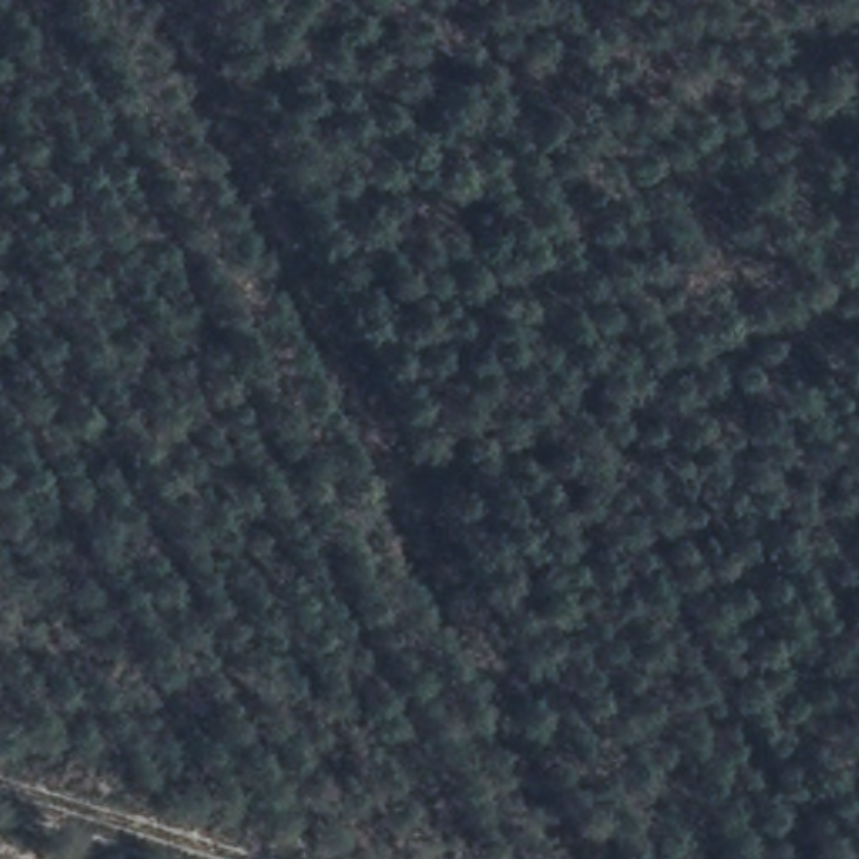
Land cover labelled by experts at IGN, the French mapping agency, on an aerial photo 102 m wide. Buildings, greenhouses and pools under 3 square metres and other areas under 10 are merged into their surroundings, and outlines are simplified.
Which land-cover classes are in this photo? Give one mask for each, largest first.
<instances>
[{"label":"brushwood","instance_id":"1","mask_svg":"<svg viewBox=\"0 0 859 859\"><path fill-rule=\"evenodd\" d=\"M87 0H0V225L10 235L3 275H23L30 285L40 282L50 272V265L44 252L34 248V235L44 228H74L84 205L94 198L91 181L70 158L60 128L64 111L77 117L81 141L87 144L101 171L111 168V151L121 141L128 144V164L138 171L148 215L158 221V235L154 242L141 245V258L154 265L171 248L181 252L201 322L188 349L171 356L158 319L141 305V289L121 272V252L114 245L97 258L104 282H111L117 309L124 312V325L111 342H141L148 349L144 362L128 379L134 409L154 399L151 383L158 376L164 379L168 372L195 362L205 413L191 423L188 436H181L168 450L164 460L181 473L185 453L198 450L208 470L205 483L191 487L178 500H164L161 480L154 476L144 453L134 446V436L128 430H101L97 440H87L81 446V460L94 487V507L77 510L74 483L67 476L60 446H54L40 430L34 436V446L57 487L54 544L60 591L20 621L17 638L0 641V755L10 745L13 725L44 721L40 711L30 701H23V691L17 685L20 661H27L40 674L50 705L64 698V678H77L84 691V705L64 721V752L57 755L44 745L27 748L20 765L7 772L30 782H44L50 789L74 792L81 799H94L101 805L158 815L174 825L201 829L215 839H232L245 846L252 859H315L319 846L342 832V819L322 815L319 822H309L302 842L292 852H282L275 846L279 815L265 778V758H279V765H285L299 752L275 735L279 721L272 718L268 701L262 695L265 661L275 641L265 634L255 594L242 584L238 570L228 567L225 591L238 617L248 624V644L242 651H228L221 658V668L248 718L255 721V742H238V731L232 728V718L215 695L211 674H198L185 688H178L161 708L164 728L181 742L185 765L181 775L164 778L161 789H154L138 772L134 752L124 745L111 711L104 708V691L94 681V674H107L114 668V654L121 648L128 651V661L138 664V678L144 685L164 678V671L158 668L161 654L148 641L131 601L144 591H171L185 580L188 611L205 624L215 614V607L205 587V574L191 554V544L185 540L181 520L188 513H201L205 523H215L221 510L242 500L248 490L262 497V513H279L275 490L268 483L275 470L285 473L295 497V513L282 520L289 523V530L305 523L309 534L322 544V550L305 560L309 570L302 574V580L319 597L322 624L305 631L295 587L272 594L289 627L292 661L299 674L309 681L305 701L295 705V728L302 731L305 725L319 721V715H325L332 681L322 671L319 651L339 627H349L352 621L359 631L356 648L372 651V668L352 678L356 708L352 715L336 721V748L322 755L319 765L332 775L336 785L352 782L372 792L386 785V778L372 765L356 758L352 735L393 695L403 701L406 718L413 725V738H406L399 748V765L406 768L413 789L372 809L362 822V832H356L352 852L332 859H497L493 842L487 839L473 805V785L456 768L446 738L436 731L426 705L419 701V688L426 678L440 681L446 711H460L473 701V695L463 691V685L456 681L443 648L430 644L419 624L416 607L426 594L436 601L440 621L456 631L463 651L476 661V671L490 681L493 691L497 728L493 735L480 731L476 738H470V755L480 765H487L513 752L517 789L527 805L547 815V832L564 849V859H634L627 846H617L611 839L597 842L584 836L587 829L577 822L580 805L570 802L560 775L564 768H574L584 789H607L614 778H641V765L624 735L627 721L634 715L651 711L654 705L685 698L691 688L688 668H671L648 685V691L634 695L631 685L648 661V638L627 617L631 601L611 591V544L631 534L641 520L648 523L651 517H661L648 490L651 473L664 476V490L678 510L708 513V523L701 530H691L698 550L708 544H721V550L735 557V550L742 547L738 513L721 497H691L681 480L685 446L695 433L678 413V393L688 386V376L698 362L671 366L661 376L658 389L631 413L634 440L621 433V426L611 416V389L604 386V379L594 376L584 386L580 406L594 413V423L617 453V473L634 500V510H621L611 500L604 520L584 527L580 557L591 567V584L577 601L584 604L587 597H601V611L580 617V624L574 627H550L534 638L523 634V627H517L510 617L503 591L493 584L476 554L500 540V527L507 523L503 493L513 483L527 480V466L534 460L547 470L550 483H557L567 493V503L574 510L591 500V483L570 476L564 463L584 436L560 413L554 440L547 430L534 433V440L523 450L503 456L500 473H487V466L476 460L473 436L466 443H456L450 460L443 463L416 456L413 403L406 389L396 383V369L406 359L416 332L426 325V309L406 295V285H399L389 265V255L376 252L369 279L389 299L393 339L369 342L356 329V315L336 292V268L325 258L329 245L322 242V218L315 208L305 205L299 185L302 174L295 164V121L309 107V101L285 70H265L255 81L221 77V64L235 57L238 30L228 17H221V0H154L161 7V20L154 23V34L134 50V57L158 54L161 47H168L174 67L191 84V107L205 124L208 144L228 158L232 191L238 195V201L248 205L265 255L279 262L275 279L282 292L292 299L309 342L322 356L325 369L336 376L342 389V409L359 426V436L383 480L386 517L369 530V544L376 554L379 580L396 601V621L379 627L362 601L359 560L339 534H332V527L322 517V507L315 503V476L322 463H329L336 466L339 510L359 507L349 446L336 430L325 426L322 433L309 436L305 456H295L279 433L292 409L309 413L322 403L315 383L305 376V366L295 359L292 346L272 352L279 366V386H258L232 406L218 403L211 359L215 352H228V366L242 372V366L252 359L248 339L238 332L235 309L215 289L205 265V252L185 232V221L171 208V195L154 161L148 158V148L154 141H164L185 185L201 178V168L188 161V138L178 131L174 117H148V111L134 117L124 114L114 121V131L107 138L97 134L94 114L77 97V77L87 74L94 91L111 104L121 97V77L87 34ZM23 10H30V20L40 30L37 60H27L23 40L17 34V20ZM141 513L148 517V534L128 540V560L134 577L121 587L104 557V534L111 530V523H124ZM87 587L104 591V604L114 614L111 634H97V627L91 624L84 611ZM560 644H591L594 661L607 674L611 695L617 701L614 715L604 718L594 708L591 685L580 664H564L554 678H534V661ZM540 701H547L554 711L574 708L570 731H554L547 742L530 738ZM84 728H97V731H101V745H104V765H101V772H91V768H84V758H81V752H84ZM218 745L232 755L235 778L245 792V815L238 809H211L201 815H188V809L181 805L188 792L225 795V785L211 765ZM104 7L107 23L104 37L117 47L134 30L128 13L131 0H97ZM450 13L443 20V40L433 54V91L416 104L413 121L430 134L446 128V121L456 117L466 104L470 87L476 81H490L497 70H507L517 97L513 128H483L476 134H466L443 151L440 164L460 174L473 161L483 164L507 154L513 188L520 195V211L507 215L497 198H476L463 205L436 188L406 185L413 218L403 228L399 245L413 265H419L433 245L460 242L463 235L473 248H483L497 245L510 232H527L530 225L550 221L523 144L530 138L544 144L554 131V121L570 107H587L604 124L627 104L634 111V121L614 141V151L621 154L634 198L644 205L648 232L661 221H671V198L681 191L715 255L738 258L742 272H748L752 265L772 272L762 289H752L742 279V285L731 292L742 312H765L772 305L792 302V295L799 292H809L812 275L785 248V232L775 215L768 218L758 245L738 242L735 232L745 228L752 205L772 191V185L742 164V151L731 138L721 141V168L698 164L688 174H664L661 181H648L641 171L644 164L668 154H681L691 141H698L691 128L681 124L671 128L668 138L658 131V104L674 91L678 77L685 74L674 67V57L668 50H658L654 37L691 0H577L584 7L587 23L624 30L627 47L638 50V57L644 60L641 81L621 87L617 94H604L594 84V70L587 64L591 54L580 47L577 34L567 23H540L523 37V50L517 57L503 54L493 30V17L503 7V0H446ZM399 34H423L416 20L389 13L379 27V40L386 47ZM342 40V20L322 17L309 30L305 44L315 54L329 57ZM795 54L789 64L778 67V81H805V97L792 104L775 128L762 124L755 84L742 74H731L728 67L705 97L718 121L725 114H742L745 131L752 134L762 154H775L778 144H795L799 154L792 211L799 225L812 232L822 218H839V232L825 245L829 275H839L846 262L859 252V114L849 107L832 117H812L809 111L836 87L829 74L832 67L849 70L852 84L859 81V23L805 27L795 34ZM372 50L362 47L356 54L352 77H336L322 87L329 97V114L315 124L319 138H336L359 128L346 111L349 94H362L372 117H379L396 107L399 91L413 81V64H399L393 67V74L379 81L372 74ZM409 154L403 151L399 138H383L372 141V168L386 174ZM564 195L570 201L587 262L601 275L624 272L611 255L607 228L621 215H627V205H597V188H591L580 178ZM386 195L362 191L359 198L339 205V215L349 232L376 221ZM513 302L544 305V319L534 339L547 349H564V359L570 366L587 356L580 342L584 322H607L611 315L624 312V329L617 332L614 346L641 359V376L658 366V352L648 332L641 329L644 312L631 299V292L591 299V292L577 285L574 268H554L523 285H500L487 302H476L463 312L476 322V339L456 342V366L463 372H473L487 359L490 342L510 325L507 305ZM728 325L721 319V309L715 305L705 312L685 309L671 319V329L681 346H695L698 336ZM772 346H789V359L775 369L765 393H748V376L768 356ZM859 349V315L846 319L829 309L809 319L805 325L748 336L735 349L718 352L728 366V393L708 403L721 430H765L778 409L802 403L812 386L825 383L829 359ZM50 329L67 346V362L44 359L34 339V325H20L13 332L17 349L0 356V383L17 413L27 409L30 396L20 383V369L30 366L54 399V416L67 426L84 419L77 413V393L91 403L97 399L101 376L91 366L94 339L84 332V319L74 322L64 312L50 315ZM507 399L493 413L500 423L510 426L540 413L537 396L517 369L503 376ZM7 466L13 473V483L20 490H27L37 480L30 476V466L17 450L7 419L0 416V470ZM795 440V466L785 476V487H805L812 470V430L805 416H799L789 426ZM765 446H755L742 450L731 466V480L742 490L762 476ZM829 534L839 540V550L836 557L819 560L815 567L825 577L842 631L829 638V624L819 614L812 621L815 654H802L792 661L795 688L775 705L778 725L785 738H792V755L775 758V748L768 745L758 718L752 715V695L742 688L738 671L715 644L708 621H715L725 604L755 594L758 611L748 621H742L745 658L758 661L792 634V621L782 617L778 577L795 564L789 554L795 520L785 510L778 517L762 520V560L748 567L738 580L708 584L678 607L688 641L695 644V651H701L708 671L718 678L725 691V711L708 708L715 748L705 762L698 758L688 718L668 721L664 728L648 735L654 758L668 748H678V768L664 778V792L644 812L651 859H745L728 836L725 819L745 805L752 829H765L772 822V802L785 785V775L802 768L805 785L815 782V752L832 735L846 731L836 715H819L799 725L795 711L799 705H809L812 698L825 695V674L852 644V624L859 621V513L852 520L842 517L825 523ZM735 735L745 738L752 755L748 765L738 768L731 795L718 802L715 778L735 752ZM10 564L23 580H34L37 560L23 554L20 540L13 537L3 540ZM523 604L534 614H547L554 611L550 574L544 564L534 560L527 567ZM839 812V805L829 795L805 802L795 812L792 846L802 859H832L822 846V822ZM500 829L513 842V859H537L527 829L513 822V815H503Z\"/></svg>","mask_w":859,"mask_h":859},{"label":"coniferous trees","instance_id":"2","mask_svg":"<svg viewBox=\"0 0 859 859\"><path fill-rule=\"evenodd\" d=\"M128 13L134 30L117 47L104 37L107 23L104 7L97 0H87V34L121 77V97L111 104L94 91L87 74L77 77V97L94 114L97 134L107 138L114 131V121L124 114L134 117L148 111V117H174L178 131L188 138V161L201 168V178L185 185L164 141H154L148 148V158L154 161L171 195V208L185 221V232L205 252V265L215 289L235 309L238 332L248 339L252 359L242 366V372L228 366V352H215L211 359L218 403L232 406L258 386H279V366L272 352L292 346L295 359L305 366V376L315 383L322 403L309 413L292 409L279 433L295 456H305L309 436L322 433L325 426L336 430L349 446L359 507L339 510L336 466L329 463H322L315 476V503L322 507V517L332 527V534H339L359 560L362 601L379 627L396 621V601L379 580L376 554L369 544V530L386 517L383 480L359 436V426L342 409V389L336 376L325 369L322 356L309 342L292 299L282 292L275 279L279 262L265 255L248 205L238 201V195L232 191L228 158L208 144L205 124L191 107V84L174 67L168 47H161L158 54L134 57V50L154 34V23L161 20V7L154 0H131ZM221 17H228L238 30L235 57L221 64V77L255 81L265 70H285L309 101V107L295 121V164L302 174L299 185L305 205L315 208L322 218V242L329 245L325 258L336 268V292L356 315V329L369 342L393 339L389 299L369 279L376 252L389 255V265L399 285H406V295L426 309V325L416 332L406 359L396 369V383L406 389L413 403L416 456L443 463L450 460L456 443H466L473 436L476 460L487 466V473H500L503 456L523 450L534 440V433L547 430L554 440L560 413L584 436L564 463L570 476L591 483V500L574 510L567 503V493L557 483H550L547 470L534 460L527 466V480L513 483L503 493L507 523L500 527V540L476 554L493 584L503 591L510 617L517 627H523V634L534 638L550 627H574L580 624V617L601 611V597H587L584 604L577 601L591 584V567L580 557L584 527L604 520L611 500L621 510H634V500L617 473V453L594 423V413L580 406L584 386L594 376L604 379V386L611 389V416L621 426V433L634 440L631 413L658 389L661 376L671 366L698 362L688 376V386L678 393V413L695 433L685 446L681 480L691 497H721L738 513L742 547L735 550V557L721 550V544H708L698 550L691 530H701L708 523V513L678 510L664 490V476L651 473L648 490L661 517H651L648 523L641 520L631 534L611 544V591L631 601L627 617L648 638V661L631 685L634 695L648 691V685L671 668H688L691 688L685 698L654 705L651 711L634 715L627 721L624 735L641 765V778H614L607 789H584L574 768H564L560 775L570 802L580 805L577 822L587 829L584 836L597 842L611 839L617 846H627L634 859H651L644 812L664 792V778L678 768V748H668L654 758L648 735L664 728L668 721L688 718L698 758L705 762L715 748L708 708L725 711V691L718 678L708 671L701 651H695V644L688 641L678 607L708 584L738 580L748 567L762 560V520L778 517L785 510L795 520L789 554L795 564L778 577L782 617L792 621V634L758 661L745 658L742 621H748L758 611L755 594L725 604L715 621H708L715 644L738 671L742 688L752 695V715L758 718L768 745L775 748V758L792 755V738H785L778 725L775 705L795 688L792 661L802 654H815L812 621L819 614L829 624V638L842 631L825 577L815 567L819 560L836 557L839 550V540L829 534L825 523L842 517L852 520L859 513V349L829 359L825 383L812 386L802 403L778 409L765 430H721L708 403L728 393V366L718 352L735 349L748 336L805 325L809 319L829 309L846 319L859 315V252L846 262L839 275H829L825 245L839 232V218H822L812 232L799 225L792 211L799 154L795 144H778L775 154H762L752 134L745 131L742 114H725L718 121L705 97L728 67L731 74H742L755 84L762 124L775 128L792 104L805 97V81H778V67L789 64L795 54V34L805 27L859 23V0H691L654 37L658 50H668L674 57V67L685 74L678 77L674 91L658 104V131L668 138L671 128L681 124L691 128L698 141H691L681 154H668L644 164L641 171L648 181H661L664 174H688L698 164L721 168V141L731 138L742 151V164L772 185V191L752 205L745 228L735 232L738 242L758 245L768 218L775 215L785 232V248L812 275L809 292H799L792 295V302L772 305L765 312H742L731 292L728 279H711L708 292L715 295V305L721 309V319L728 325L698 336L695 346H681L671 329V319L685 309L688 279L708 272L715 255L681 191L671 198V221H661L648 232L644 205L634 198L621 154L614 151V141L634 121V111L627 104L604 124L587 107H570L554 121V131L544 144L530 138L523 144L550 221L530 225L527 232H510L497 245L483 248H473L463 235L460 242L433 245L419 265H413L399 245L403 228L413 218L406 185L436 188L463 205L476 198H497L507 215L520 211V195L513 188L507 154L483 164L473 161L460 174L440 164L443 151L466 134H476L483 128H513L517 97L507 70H497L490 81H476L470 87L466 104L456 117L446 121V128L430 134L413 121L416 104L433 91V54L443 40V20L450 13L446 0H221ZM389 13L416 20L423 34H399L386 47L379 40V27ZM322 17L342 20V40L329 57L315 54L305 44L309 30ZM362 47L372 50V74L379 81L393 74V67L399 64H413V81L399 91L396 107L379 117H372L362 94H349L346 111L359 128L336 138H319L315 124L329 114V97L322 87L336 77H352L356 54ZM383 138H399L403 151L409 154L386 174L372 168V141ZM580 178L591 188H597V205H627V215H621L607 228L611 255L624 272L601 275L587 262L570 201L564 195ZM362 191L386 195L376 221L349 232L339 215V205L359 198ZM554 268H574L577 285L591 292V299L631 292V299L644 312L641 329L648 332L658 352V366L641 376V359L614 346L617 332L624 329V312L611 315L607 322H584L580 342L587 356L570 366L564 359V349H547L534 339L544 319V305L513 302L507 305L510 325L490 342L487 359L473 372H463L456 366V342L476 339V322L463 312L476 302H487L500 285H523ZM517 369L537 396L540 413L510 426L500 423L493 413L507 399L503 376ZM799 416H805L812 430V470L805 487H785V476L795 466V440L789 426ZM755 446H765L762 476L742 490L731 480V466L742 450ZM534 560L544 564L550 574L554 611L547 614H534L523 604L527 567ZM567 23L577 34L580 47L591 54L587 64L594 70V84L604 94H617L621 87L641 81L644 60L638 57V50L627 47L624 30L587 23L584 7L577 0H503V7L493 17V30L503 54L517 57L523 50V37L540 23ZM17 34L23 40L27 60H37L40 30L30 20V10H23L17 20ZM829 74L836 87L809 111L812 117H832L849 107L859 114V81L852 84L849 70L832 67ZM60 128L70 158L91 181L94 198L84 205L74 228H44L34 235V248L44 252L50 265V272L40 282L30 285L23 275H3L10 235L0 225V356L17 349L13 332L20 325H34V339L44 359L67 362V346L50 329V315L64 312L74 322L84 319V332L94 339L91 366L101 376L97 399L91 403L77 393V413L84 419L67 426L54 416V399L30 366L20 369V383L30 396L27 409L17 413L0 383V416L7 419L17 450L30 466V476L37 480L27 490H20L13 483V473L7 466L0 470V641L17 638L20 621L60 591L54 544L57 487L34 446V436L40 430L54 446H60L67 476L74 483L77 510L94 507V487L81 460V446L87 440H97L101 430H128L134 436V446L144 453L154 476L161 480L164 500H178L191 487L205 483L208 470L198 450L185 453L181 473L164 460L168 450L181 436H188L191 423L205 413L195 362L168 372L164 379L158 376L151 383L154 399L134 409L128 379L144 362L148 349L141 342H111L124 325V312L117 309L111 282H104L97 258L114 245L121 252V272L141 289V305L158 319L171 356L188 349L201 322L181 252L171 248L154 265L141 258V245L154 242L158 235V221L148 215L138 171L128 164V144L121 141L111 151V168L101 171L87 144L81 141L77 117L64 111ZM13 537L20 540L23 554L37 560L34 580H23L10 564L3 540ZM789 359V346H772L768 356L748 376V393H765L775 369ZM268 483L275 490L279 513H262V497L248 490L242 500L221 510L215 523H205L201 513H188L181 520L185 540L191 544V554L205 574V587L215 607V614L205 624L188 611L185 580L171 591H144L131 601L148 641L161 654L158 668L164 671V678L144 685L138 678V664L128 661V651L121 648L114 654V668L107 674H94V681L104 691V708L111 711L124 745L134 752L138 772L154 789H161L164 778L181 775L185 765L181 742L164 728L161 708L178 688H185L198 674H211L215 695L232 718V728L238 731V742H255V721L248 718L221 668V658L228 651H242L248 644V624L238 617L225 591L228 567L238 570L242 584L255 594L265 634L275 641L265 661L262 695L268 701L272 718L279 721L275 735L299 752L285 765H279V758H265V778L279 815L275 846L282 852H292L302 842L309 822H319L322 815L342 819V832L319 846L315 859H332L352 852L356 832H362V822L372 809L413 789L406 768L399 765V748L406 738H413V725L406 718L403 701L393 695L352 735L356 758L372 765L386 778V785L372 792L352 782L336 785L332 775L319 765L322 755L336 748V721L352 715L356 708L352 678L372 668V651L356 648L359 631L352 621L349 627H339L319 651L322 671L332 681L325 715H319V721L305 725L302 731L295 728V705L305 701L309 681L299 674L292 661L289 627L272 594L295 587L305 631L322 624L319 597L302 580V574L309 570L305 560L322 550V544L309 534L305 523L289 530V523L282 520L295 513V497L285 473L275 470ZM148 534V517L141 513L124 523H111V530L104 534V557L121 587L134 577L128 560V540ZM84 611L91 624L97 627V634H111L114 614L104 604V591L87 587ZM419 624L430 644L443 648L456 681L463 685V691L473 695V701L460 711H446L440 681L426 678L419 688V701L426 705L436 731L446 738L456 768L473 785V805L487 839L493 842L497 859H513V842L500 829L503 815H513V822L527 829L537 859H564V849L547 832V815L527 805L517 789L513 752L487 765H480L470 755V738H476L480 731L493 735L497 728L493 691L490 681L476 671V661L463 651L456 631L440 621L436 601L426 594L416 607ZM819 715H836L846 731L832 735L815 752V782L805 785L802 768L785 775V785L772 802V822L765 829H752L745 805L725 819L728 836L745 859H802L792 846L795 812L805 802L829 795L839 805V812L822 822V846L832 859H859V621L852 624V644L825 674V695L812 698L809 705H799L795 711L799 725ZM564 664H580L591 685L594 708L604 718L614 715L617 701L611 695L607 674L594 661L591 644H560L534 661V678H554ZM17 685L23 691V701H30L40 711L44 721L13 725L10 745L0 755V772H7L20 765L27 748L44 745L57 755L64 752V721L84 705V691L77 678H64V698L50 705L40 674L27 661H20ZM574 708L554 711L547 701H540L530 738L547 742L554 731H570ZM81 758H84V768H91V772H101V765H104V745H101V731H97V728H84V752H81ZM752 755L745 738L735 735V752L715 778L718 802L731 795L738 768L748 765ZM211 765L225 785V795L188 792L181 805L188 809V815H201L211 809H238L245 815V792L235 778L232 755L218 745Z\"/></svg>","mask_w":859,"mask_h":859},{"label":"pervious surface","instance_id":"3","mask_svg":"<svg viewBox=\"0 0 859 859\"><path fill-rule=\"evenodd\" d=\"M0 792L27 795L40 809L47 829H60L67 819H77L107 822L114 836L131 832L151 842L154 859H252L245 846L232 839H215L201 829L174 825L158 815L101 805L94 799H81L74 792L50 789L44 782H30L7 772H0Z\"/></svg>","mask_w":859,"mask_h":859},{"label":"herbaceous vegetation","instance_id":"4","mask_svg":"<svg viewBox=\"0 0 859 859\"><path fill-rule=\"evenodd\" d=\"M50 849L47 829L40 809L27 795L0 792V859H40ZM87 859H154L151 842L131 832L114 836L104 846L94 842L87 849Z\"/></svg>","mask_w":859,"mask_h":859},{"label":"bare soil","instance_id":"5","mask_svg":"<svg viewBox=\"0 0 859 859\"><path fill-rule=\"evenodd\" d=\"M772 272L752 265L748 272H742L738 258L715 255L708 272L688 279L685 309L705 312L715 305V295L708 292L711 279H728L731 292L742 285V279L752 289H762Z\"/></svg>","mask_w":859,"mask_h":859},{"label":"deciduous trees","instance_id":"6","mask_svg":"<svg viewBox=\"0 0 859 859\"><path fill-rule=\"evenodd\" d=\"M50 849L40 859H87V849L94 842L104 846L114 836L107 822L77 819H67L60 829H47Z\"/></svg>","mask_w":859,"mask_h":859}]
</instances>
